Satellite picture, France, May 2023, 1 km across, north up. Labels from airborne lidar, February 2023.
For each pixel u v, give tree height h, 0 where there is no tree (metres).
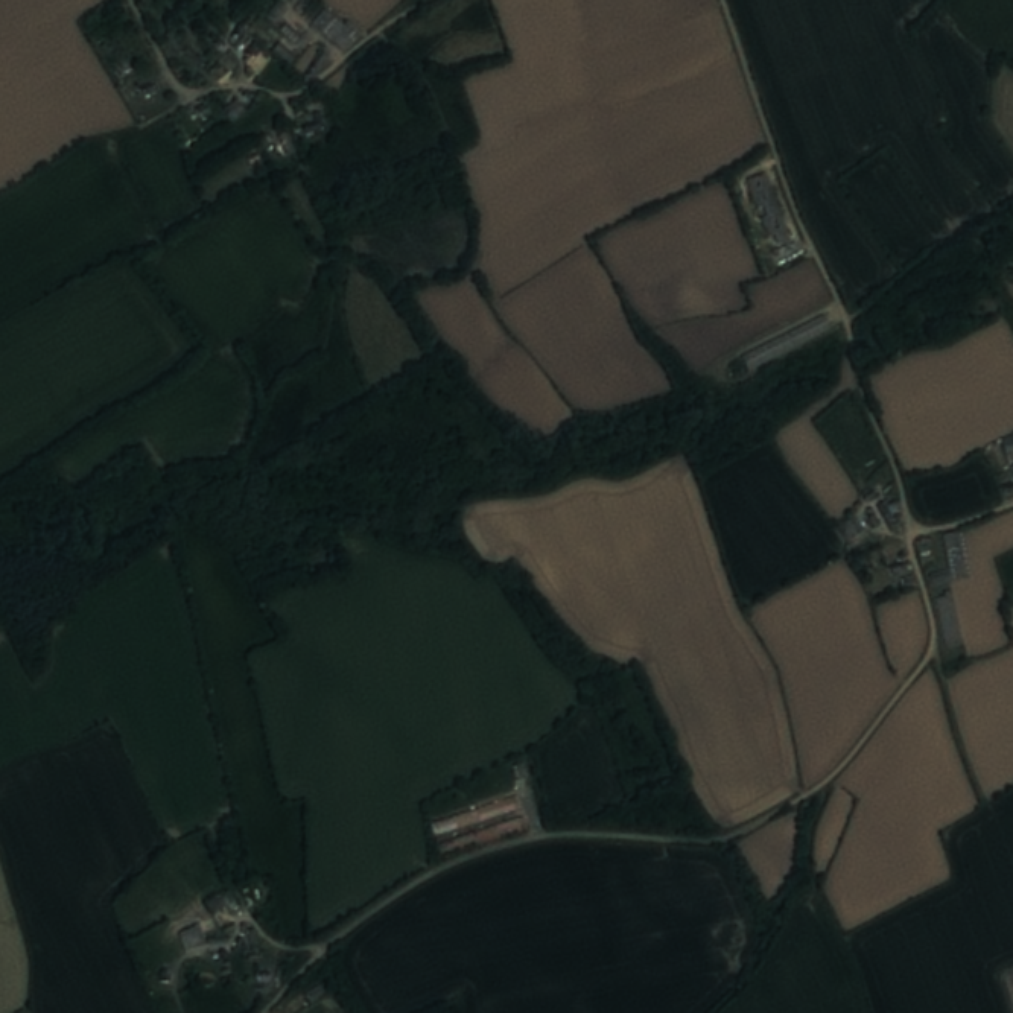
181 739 0
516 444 15
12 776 0
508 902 0
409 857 0
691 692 0
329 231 9
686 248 0
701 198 0
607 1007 0
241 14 13
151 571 0
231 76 0
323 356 10
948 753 0
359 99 0
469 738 0
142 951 0
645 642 0
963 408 0
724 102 0
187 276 0
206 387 0
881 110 0
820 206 0
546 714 0
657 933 0
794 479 0
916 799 0
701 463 10
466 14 0
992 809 0
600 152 0
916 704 0
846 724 0
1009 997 0
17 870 0
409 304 18
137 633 0
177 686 0
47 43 0
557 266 0
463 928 0
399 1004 0
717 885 0
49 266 0
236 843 9
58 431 0
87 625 0
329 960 7
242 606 0
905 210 0
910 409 0
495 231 0
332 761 0
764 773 0
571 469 10
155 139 0
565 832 0
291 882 0
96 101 0
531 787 0
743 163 12
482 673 0
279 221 0
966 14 0
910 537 0
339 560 20
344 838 0
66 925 0
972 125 0
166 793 0
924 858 0
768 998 0
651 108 0
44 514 15
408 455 0
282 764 0
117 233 0
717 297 0
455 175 11
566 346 0
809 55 0
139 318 0
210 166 16
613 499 0
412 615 0
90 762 0
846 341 0
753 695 0
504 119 0
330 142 11
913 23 9
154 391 13
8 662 0
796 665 0
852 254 0
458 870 0
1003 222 12
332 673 0
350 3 0
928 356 0
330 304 0
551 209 0
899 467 6
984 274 6
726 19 0
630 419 20
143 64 9
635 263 0
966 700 0
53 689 0
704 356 0
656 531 0
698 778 0
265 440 0
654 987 0
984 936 0
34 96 0
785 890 10
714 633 0
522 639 0
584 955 0
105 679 0
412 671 0
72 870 0
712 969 0
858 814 0
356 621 0
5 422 0
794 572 0
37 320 0
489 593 0
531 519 0
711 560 0
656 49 0
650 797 12
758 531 0
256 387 10
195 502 9
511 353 0
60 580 17
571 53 0
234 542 8
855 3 0
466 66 12
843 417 0
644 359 0
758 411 17
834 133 0
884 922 0
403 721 0
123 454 11
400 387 12
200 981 10
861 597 0
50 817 0
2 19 0
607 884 0
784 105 0
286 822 0
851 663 0
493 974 0
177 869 0
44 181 0
